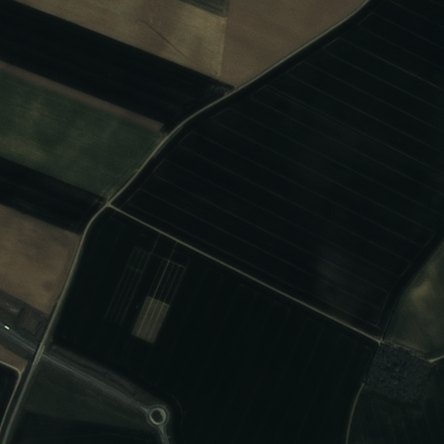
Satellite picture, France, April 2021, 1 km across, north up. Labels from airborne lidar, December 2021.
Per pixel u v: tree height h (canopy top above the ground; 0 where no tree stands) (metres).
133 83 0
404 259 0
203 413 0
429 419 0
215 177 0
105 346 0
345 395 0
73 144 0
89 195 0
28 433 0
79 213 0
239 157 0
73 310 0
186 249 0
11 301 0
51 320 0
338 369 0
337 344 0
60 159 0
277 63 0
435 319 0
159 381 0
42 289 0
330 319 0
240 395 0
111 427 0
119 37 0
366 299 0
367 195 0
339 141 0
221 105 0
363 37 0
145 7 0
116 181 0
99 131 0
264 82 0
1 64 0
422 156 0
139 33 0
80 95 0
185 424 0
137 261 0
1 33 0
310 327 0
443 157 0
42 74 0
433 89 0
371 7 0
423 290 0
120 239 0
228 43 0
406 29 0
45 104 0
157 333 0
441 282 0
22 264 0
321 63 0
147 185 0
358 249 0
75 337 0
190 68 0
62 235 0
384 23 0
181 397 0
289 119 0
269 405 0
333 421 0
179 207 0
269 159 0
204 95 0
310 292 0
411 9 0
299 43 0
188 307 0
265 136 0
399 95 0
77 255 0
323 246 0
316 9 0
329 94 0
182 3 0
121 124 0
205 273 0
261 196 0
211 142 0
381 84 0
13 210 0
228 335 0
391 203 0
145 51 0
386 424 0
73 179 0
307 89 0
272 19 0
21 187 0
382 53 0
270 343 0
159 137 0
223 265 0
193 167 0
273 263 0
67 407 0
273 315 0
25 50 0
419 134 0
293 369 0
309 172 0
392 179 0
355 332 0
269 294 0
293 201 0
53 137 0
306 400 0
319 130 0
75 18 0
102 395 0
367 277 0
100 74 0
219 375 0
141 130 0
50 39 0
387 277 0
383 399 0
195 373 0
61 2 0
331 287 0
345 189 0
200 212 0
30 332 0
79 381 0
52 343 0
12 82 0
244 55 0
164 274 0
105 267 0
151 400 0
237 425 0
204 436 0
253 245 0
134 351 0
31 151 0
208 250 0
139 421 0
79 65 0
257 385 0
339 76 0
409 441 0
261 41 0
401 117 0
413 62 0
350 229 0
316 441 0
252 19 0
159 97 0
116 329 0
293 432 0
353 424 0
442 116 0
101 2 0
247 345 0
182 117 0
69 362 0
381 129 0
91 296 0
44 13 0
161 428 0
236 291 0
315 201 0
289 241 0
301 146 0
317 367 0
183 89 0
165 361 0
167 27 0
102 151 0
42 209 0
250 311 0
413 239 0
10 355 0
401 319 0
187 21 0
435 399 0
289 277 0
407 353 14
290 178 0
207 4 0
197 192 0
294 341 0
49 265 0
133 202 0
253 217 0
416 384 18
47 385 0
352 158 0
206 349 0
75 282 0
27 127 0
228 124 0
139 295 0
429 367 8
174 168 0
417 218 0
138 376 0
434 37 0
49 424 0
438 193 0
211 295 0
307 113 0
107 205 0
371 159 0
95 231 0
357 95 0
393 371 15
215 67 0
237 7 0
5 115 0
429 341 0
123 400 0
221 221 0
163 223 0
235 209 0
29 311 0
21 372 0
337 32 0
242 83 0
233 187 0
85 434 0
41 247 0
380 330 0
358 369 0
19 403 0
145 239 0
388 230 0
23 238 0
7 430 0
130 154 0
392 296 0
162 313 0
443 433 0
